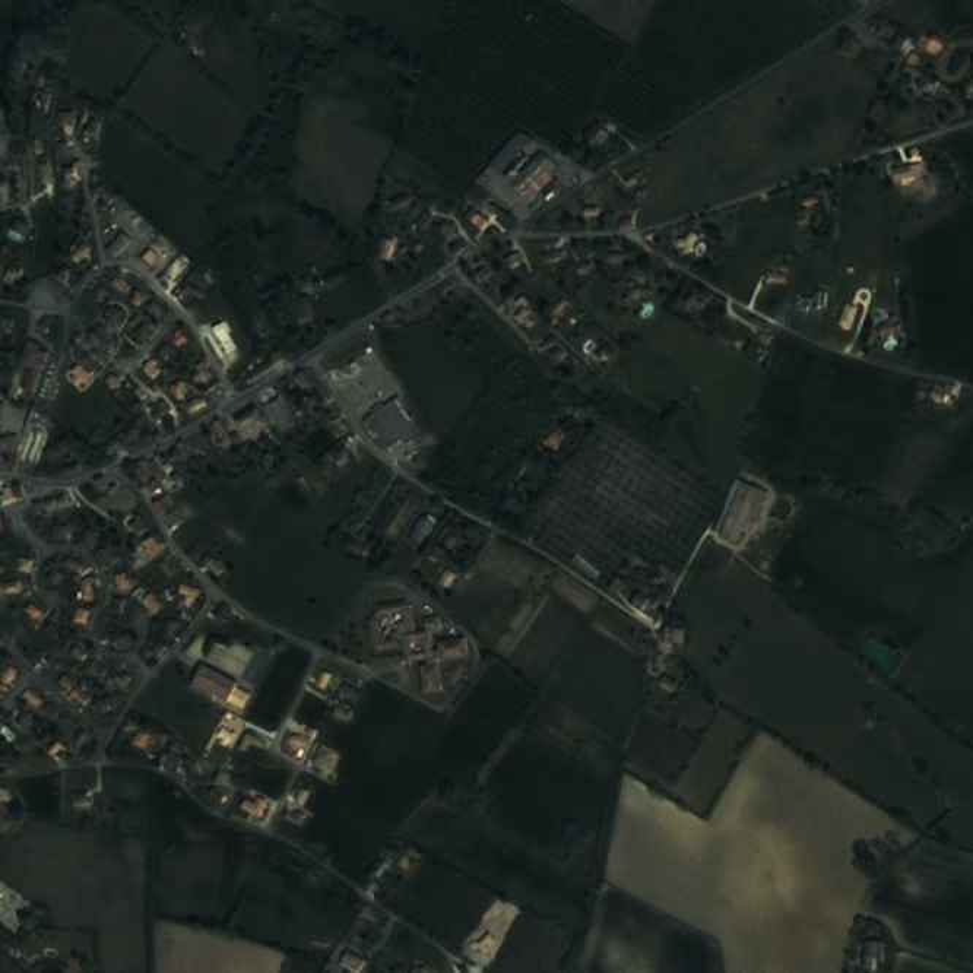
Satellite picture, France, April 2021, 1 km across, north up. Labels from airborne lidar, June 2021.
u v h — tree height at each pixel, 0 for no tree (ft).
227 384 0
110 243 0
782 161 0
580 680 0
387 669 0
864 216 0
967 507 0
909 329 35
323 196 0
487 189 0
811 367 0
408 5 0
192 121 0
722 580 0
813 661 0
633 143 17
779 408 0
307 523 0
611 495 48
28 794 0
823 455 0
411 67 83
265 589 0
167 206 0
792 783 0
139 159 0
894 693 29
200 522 0
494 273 19
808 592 0
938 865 0
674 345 0
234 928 35
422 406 0
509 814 0
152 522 0
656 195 0
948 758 0
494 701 0
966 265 0
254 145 37
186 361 22
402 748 0
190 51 43
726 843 0
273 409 0
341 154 0
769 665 0
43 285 0
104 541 23
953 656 0
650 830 0
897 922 0
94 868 0
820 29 0
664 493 49
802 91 0
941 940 0
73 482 0
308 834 0
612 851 0
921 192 0
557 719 0
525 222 0
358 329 0
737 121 0
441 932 0
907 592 0
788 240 0
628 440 31
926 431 0
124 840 0
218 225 0
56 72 55
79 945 0
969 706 0
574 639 0
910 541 51
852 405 0
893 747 0
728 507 0
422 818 0
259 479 0
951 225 0
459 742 0
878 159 28
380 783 0
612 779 0
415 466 0
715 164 0
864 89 0
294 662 0
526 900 0
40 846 0
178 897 0
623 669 0
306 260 0
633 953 0
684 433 0
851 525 0
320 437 0
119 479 0
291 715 0
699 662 0
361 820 0
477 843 0
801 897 0
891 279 0
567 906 0
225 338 0
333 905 0
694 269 27
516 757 0
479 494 49
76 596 20
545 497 33
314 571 0
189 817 0
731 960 0
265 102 0
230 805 0
